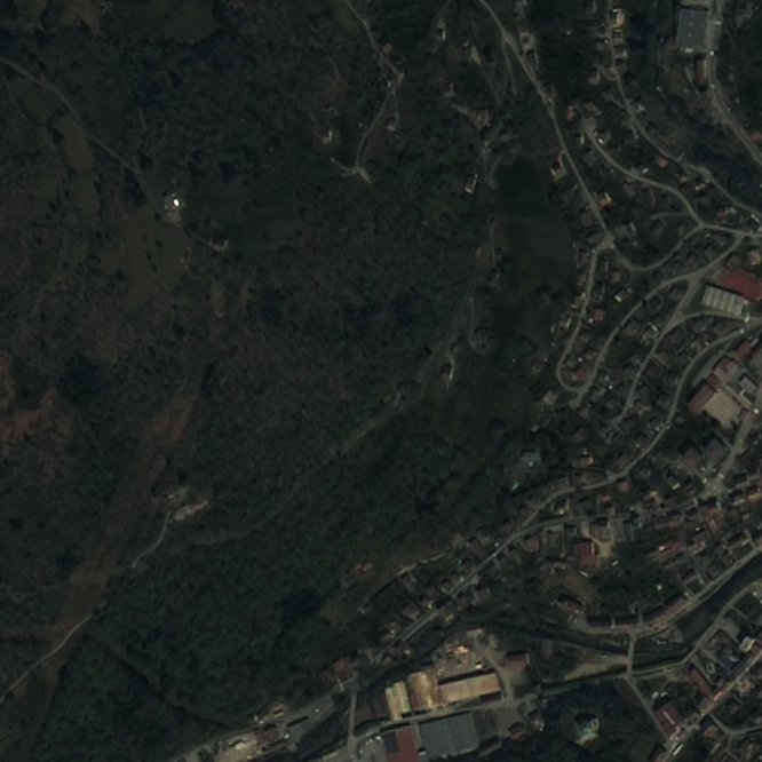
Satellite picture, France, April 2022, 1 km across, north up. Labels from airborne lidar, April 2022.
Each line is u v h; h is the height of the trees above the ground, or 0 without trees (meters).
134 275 0
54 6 12
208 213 0
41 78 14
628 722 24
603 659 0
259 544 24
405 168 14
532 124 26
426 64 11
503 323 0
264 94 16
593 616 0
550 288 9
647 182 0
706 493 0
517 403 0
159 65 8
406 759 0
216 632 18
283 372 10
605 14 0
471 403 0
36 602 20
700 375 0
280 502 20
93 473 26
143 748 32
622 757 18
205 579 21
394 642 0
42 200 0
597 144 0
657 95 24
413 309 29
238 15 22
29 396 22
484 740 0
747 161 10
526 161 0
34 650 23
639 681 0
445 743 0
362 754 0
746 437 0
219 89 12
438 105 14
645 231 0
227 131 11
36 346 7
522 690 0
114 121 0
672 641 0
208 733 25
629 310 0
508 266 15
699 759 0
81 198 0
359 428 10
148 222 0
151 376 20
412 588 0
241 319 8
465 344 11
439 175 21
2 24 0
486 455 0
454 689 0
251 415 6
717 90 0
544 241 0
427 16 0
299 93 17
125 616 18
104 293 8
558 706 10
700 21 0
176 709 22
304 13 0
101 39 7
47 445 6
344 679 0
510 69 0
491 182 0
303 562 16
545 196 0
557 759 18
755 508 0
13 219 7
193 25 0
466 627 0
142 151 8
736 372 0
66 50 7
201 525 7
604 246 0
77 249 0
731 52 19
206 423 9
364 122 6
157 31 0
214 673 15
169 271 0
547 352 0
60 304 8
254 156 33
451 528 8
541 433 9
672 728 0
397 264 13
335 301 21
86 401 23
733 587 13
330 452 13
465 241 9
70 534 17
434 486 14
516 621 11
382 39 0
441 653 0
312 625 23
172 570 20
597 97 0
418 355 7
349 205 6
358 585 9
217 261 8
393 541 17
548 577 0
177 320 0
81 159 0
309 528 16
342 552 13
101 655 20
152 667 23
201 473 16
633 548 0
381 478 23
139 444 20
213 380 21
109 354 13
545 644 0
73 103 9
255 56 6
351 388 23
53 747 19
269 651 29
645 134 0
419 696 0
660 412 7
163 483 8
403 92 8
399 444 0
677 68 0
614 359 0
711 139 14
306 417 19
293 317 14
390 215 16
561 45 0
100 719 24
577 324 0
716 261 0
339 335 19
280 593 22
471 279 10
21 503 11
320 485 16
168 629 30
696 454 0
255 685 24
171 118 18
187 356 0
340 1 0
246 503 16
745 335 0
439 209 0
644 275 0
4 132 10
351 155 0
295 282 17
